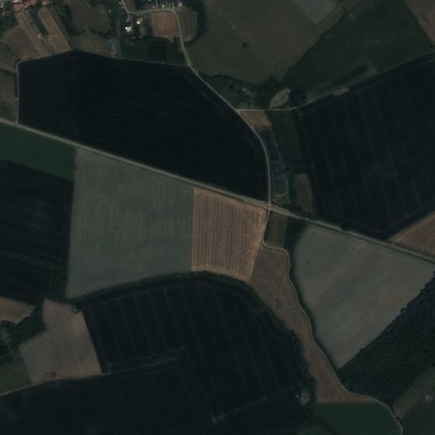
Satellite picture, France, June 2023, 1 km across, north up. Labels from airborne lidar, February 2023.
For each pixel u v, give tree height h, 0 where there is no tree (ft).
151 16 0
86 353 0
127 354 0
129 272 0
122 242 0
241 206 0
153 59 0
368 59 0
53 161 0
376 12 0
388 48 0
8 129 0
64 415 0
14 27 0
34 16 0
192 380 0
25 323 40
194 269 0
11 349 0
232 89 51
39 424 0
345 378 22
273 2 0
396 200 0
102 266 0
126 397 0
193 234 0
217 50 0
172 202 0
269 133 0
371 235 0
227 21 0
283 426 0
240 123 0
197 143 0
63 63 0
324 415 0
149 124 0
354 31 0
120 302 0
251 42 0
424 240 0
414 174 0
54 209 0
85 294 0
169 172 0
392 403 39
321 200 0
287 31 0
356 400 0
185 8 0
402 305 0
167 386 0
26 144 0
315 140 0
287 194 0
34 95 0
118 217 0
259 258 0
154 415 0
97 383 0
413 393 0
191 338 0
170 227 0
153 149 0
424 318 71
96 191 0
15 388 0
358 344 0
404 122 0
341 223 0
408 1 0
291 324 0
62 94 0
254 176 0
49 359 0
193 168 0
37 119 0
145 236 0
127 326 0
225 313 0
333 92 0
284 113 0
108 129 0
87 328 0
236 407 0
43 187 0
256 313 0
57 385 0
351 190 0
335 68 0
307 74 0
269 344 0
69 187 0
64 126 0
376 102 0
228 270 0
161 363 0
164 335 0
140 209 0
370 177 0
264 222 0
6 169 0
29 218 0
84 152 0
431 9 0
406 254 0
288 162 18
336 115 0
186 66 0
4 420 0
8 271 0
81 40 0
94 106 0
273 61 0
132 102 0
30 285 0
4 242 0
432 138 0
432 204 0
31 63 0
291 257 0
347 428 0
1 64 0
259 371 0
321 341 0
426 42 0
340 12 0
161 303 0
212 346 0
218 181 0
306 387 0
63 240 0
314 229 0
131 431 0
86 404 0
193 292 0
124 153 0
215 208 0
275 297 0
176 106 0
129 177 0
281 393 0
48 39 0
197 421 0
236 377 0
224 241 0
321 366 0
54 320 0
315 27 0
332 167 0
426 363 38
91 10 0
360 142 0
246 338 0
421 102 0
